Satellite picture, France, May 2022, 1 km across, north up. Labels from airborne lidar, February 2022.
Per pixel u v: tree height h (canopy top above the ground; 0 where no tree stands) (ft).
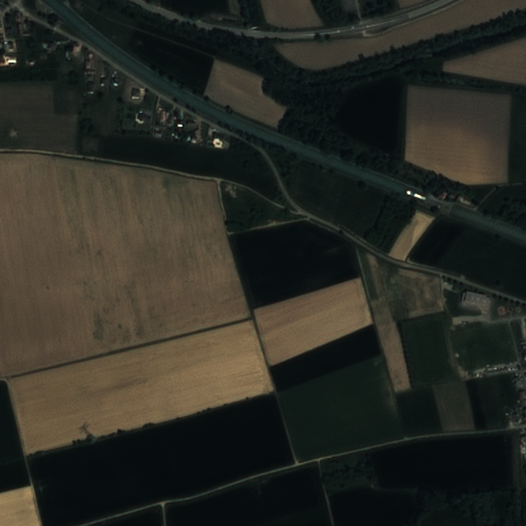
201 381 0
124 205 0
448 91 0
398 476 0
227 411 0
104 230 0
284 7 0
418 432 0
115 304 0
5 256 0
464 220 0
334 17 67
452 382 0
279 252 0
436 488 0
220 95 0
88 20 0
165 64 0
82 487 0
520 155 0
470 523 0
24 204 0
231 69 0
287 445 0
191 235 0
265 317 0
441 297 0
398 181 0
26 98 0
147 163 0
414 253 0
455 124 0
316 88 52
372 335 0
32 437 0
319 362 0
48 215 0
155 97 0
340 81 28
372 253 0
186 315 0
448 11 0
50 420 0
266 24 0
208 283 0
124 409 0
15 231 0
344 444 0
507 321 0
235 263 0
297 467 0
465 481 0
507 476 0
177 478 0
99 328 0
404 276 0
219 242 0
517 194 0
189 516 0
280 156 28
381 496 0
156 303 0
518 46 0
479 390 0
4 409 0
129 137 0
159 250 0
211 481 0
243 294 0
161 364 0
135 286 0
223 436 0
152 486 0
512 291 0
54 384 0
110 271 0
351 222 0
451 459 0
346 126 0
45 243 0
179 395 0
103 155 0
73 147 0
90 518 0
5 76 0
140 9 38
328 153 43
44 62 0
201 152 0
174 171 0
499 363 0
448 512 0
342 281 0
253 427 0
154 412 0
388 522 0
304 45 0
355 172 0
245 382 0
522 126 0
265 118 0
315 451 0
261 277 0
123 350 0
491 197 0
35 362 0
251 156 0
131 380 0
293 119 34
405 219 43
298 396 0
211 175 0
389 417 0
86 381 0
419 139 0
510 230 0
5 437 0
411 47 0
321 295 0
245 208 0
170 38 0
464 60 0
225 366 0
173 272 0
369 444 0
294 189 0
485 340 0
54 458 0
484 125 0
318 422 0
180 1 0
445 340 0
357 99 0
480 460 0
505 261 0
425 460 0
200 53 0
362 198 0
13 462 0
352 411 0
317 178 0
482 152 0
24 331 0
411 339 0
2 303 0
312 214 0
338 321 0
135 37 0
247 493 0
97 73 0
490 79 0
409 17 0
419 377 0
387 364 0
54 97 0
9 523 0
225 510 0
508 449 0
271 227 0
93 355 0
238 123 0
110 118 0
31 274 0
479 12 0
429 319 0
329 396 0
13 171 0
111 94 0
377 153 31
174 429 0
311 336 0
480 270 0
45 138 0
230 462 0
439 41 46
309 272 0
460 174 0
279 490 0
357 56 0
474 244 0
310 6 0
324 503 0
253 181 0
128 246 0
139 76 0
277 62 64
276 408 0
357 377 0
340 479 22
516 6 0
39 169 0
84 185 0
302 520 0
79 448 0
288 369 0
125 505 0
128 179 0
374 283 0
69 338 0
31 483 0
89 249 0
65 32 0
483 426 0
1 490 0
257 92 0
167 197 0
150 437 0
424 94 0
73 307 0
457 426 0
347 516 0
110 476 0
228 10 0
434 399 0
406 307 0
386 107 0
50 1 0
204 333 0
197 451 0
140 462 0
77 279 0
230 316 0
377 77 33
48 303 0
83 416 0
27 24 24
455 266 0
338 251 0
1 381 0
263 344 0
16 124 0
